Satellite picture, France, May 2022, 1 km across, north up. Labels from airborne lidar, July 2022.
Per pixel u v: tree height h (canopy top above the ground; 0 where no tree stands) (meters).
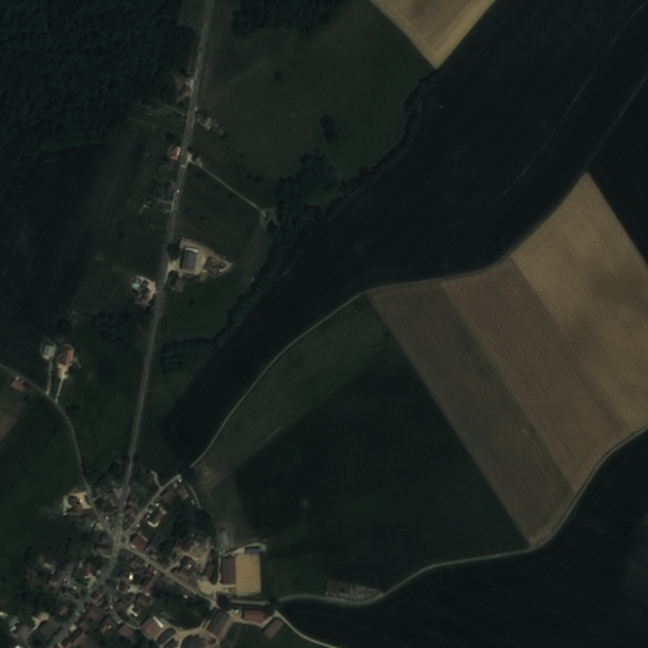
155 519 0
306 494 0
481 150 0
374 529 0
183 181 0
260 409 0
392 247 0
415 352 0
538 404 0
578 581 0
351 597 0
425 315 0
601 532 0
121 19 26
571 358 0
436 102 0
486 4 0
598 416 0
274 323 0
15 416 0
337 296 0
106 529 0
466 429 0
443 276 0
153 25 20
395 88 0
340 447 0
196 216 0
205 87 0
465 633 0
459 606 0
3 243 0
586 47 0
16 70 27
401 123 0
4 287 0
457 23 0
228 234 0
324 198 0
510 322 0
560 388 0
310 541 0
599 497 0
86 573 0
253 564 0
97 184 0
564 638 0
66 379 0
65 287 0
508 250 0
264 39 0
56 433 9
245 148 0
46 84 24
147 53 24
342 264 0
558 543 0
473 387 0
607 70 0
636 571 0
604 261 0
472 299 0
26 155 24
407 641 0
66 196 0
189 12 0
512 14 0
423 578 0
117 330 25
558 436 0
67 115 29
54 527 0
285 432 0
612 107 0
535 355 0
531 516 0
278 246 16
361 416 0
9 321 0
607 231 0
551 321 0
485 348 0
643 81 0
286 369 0
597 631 0
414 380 0
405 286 0
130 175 0
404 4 0
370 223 0
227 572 0
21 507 0
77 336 0
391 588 0
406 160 0
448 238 0
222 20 0
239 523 0
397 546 0
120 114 25
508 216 0
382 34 0
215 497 0
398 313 0
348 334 0
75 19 18
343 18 0
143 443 0
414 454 0
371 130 0
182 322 0
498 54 0
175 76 0
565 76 0
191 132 0
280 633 0
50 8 25
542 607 0
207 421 0
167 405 0
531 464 0
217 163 0
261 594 0
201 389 0
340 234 0
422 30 0
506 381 0
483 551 0
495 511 0
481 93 0
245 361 0
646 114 0
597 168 0
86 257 0
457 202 0
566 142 0
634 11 0
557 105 0
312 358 0
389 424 0
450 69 0
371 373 0
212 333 0
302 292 0
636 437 0
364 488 0
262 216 0
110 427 0
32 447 0
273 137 0
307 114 0
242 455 0
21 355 0
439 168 0
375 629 0
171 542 6
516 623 0
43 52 23
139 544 0
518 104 0
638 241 0
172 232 0
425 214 0
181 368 14
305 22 20
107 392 0
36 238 0
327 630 0
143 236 0
